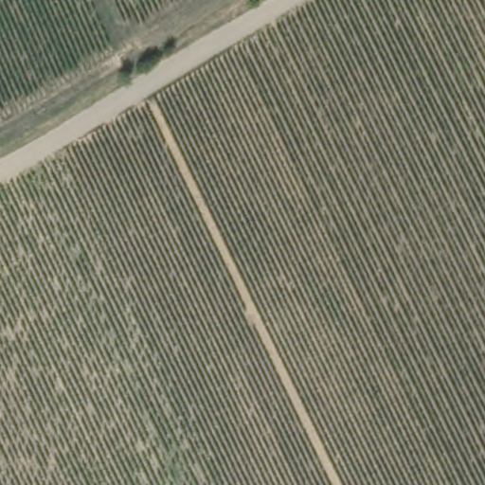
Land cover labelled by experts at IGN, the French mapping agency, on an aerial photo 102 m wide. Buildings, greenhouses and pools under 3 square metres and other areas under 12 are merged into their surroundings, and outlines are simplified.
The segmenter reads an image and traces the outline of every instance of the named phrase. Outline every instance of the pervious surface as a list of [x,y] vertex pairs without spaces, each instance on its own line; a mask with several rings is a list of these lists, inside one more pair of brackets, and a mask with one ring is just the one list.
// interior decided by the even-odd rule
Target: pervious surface
[[53,157],[59,148],[64,148],[66,144],[78,142],[83,133],[95,129],[97,125],[116,121],[119,112],[123,112],[125,108],[142,108],[144,97],[148,97],[155,89],[182,76],[189,68],[207,61],[214,53],[239,42],[246,34],[265,25],[275,25],[282,13],[296,13],[296,8],[309,0],[248,0],[248,6],[252,9],[246,11],[239,19],[233,19],[224,27],[212,30],[210,34],[199,38],[186,49],[174,51],[169,57],[163,57],[150,72],[133,76],[131,83],[117,89],[116,93],[95,102],[91,108],[83,110],[80,114],[66,119],[57,129],[28,142],[23,148],[0,157],[0,184],[6,184],[11,178],[17,178],[19,174],[30,171],[34,165],[44,161],[45,157]]

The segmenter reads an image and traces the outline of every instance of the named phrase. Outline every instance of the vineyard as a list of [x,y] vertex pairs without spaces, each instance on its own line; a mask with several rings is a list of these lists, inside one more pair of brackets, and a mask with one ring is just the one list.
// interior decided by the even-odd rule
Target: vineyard
[[0,485],[485,485],[485,0],[309,0],[296,8],[296,13],[282,13],[275,25],[265,25],[246,34],[239,42],[214,53],[207,61],[189,68],[182,76],[155,89],[148,97],[144,97],[142,108],[125,108],[123,112],[119,112],[116,121],[97,125],[95,129],[83,133],[78,142],[66,144],[64,148],[59,148],[53,157],[45,157],[44,161],[34,165],[30,171],[19,174],[17,178],[11,178],[6,184],[0,184]]
[[61,78],[66,72],[76,70],[81,59],[93,53],[100,53],[108,47],[119,49],[129,38],[135,36],[138,23],[142,23],[148,17],[152,9],[157,9],[163,2],[167,4],[172,0],[0,0],[0,110],[4,108],[6,100],[28,97],[34,91],[38,91],[45,81]]

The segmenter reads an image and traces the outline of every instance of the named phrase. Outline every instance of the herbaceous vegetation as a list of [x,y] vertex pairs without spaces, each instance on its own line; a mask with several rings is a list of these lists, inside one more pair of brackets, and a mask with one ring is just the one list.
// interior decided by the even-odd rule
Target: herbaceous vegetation
[[131,83],[133,76],[150,72],[163,57],[169,57],[174,51],[186,49],[199,38],[210,34],[212,30],[224,27],[233,19],[239,19],[246,11],[252,9],[248,6],[248,0],[172,0],[167,4],[163,2],[157,9],[152,9],[148,17],[142,23],[138,23],[135,36],[129,38],[119,49],[108,47],[100,53],[93,53],[81,59],[76,70],[66,72],[61,78],[45,81],[38,91],[34,91],[28,97],[6,100],[4,108],[0,110],[0,157],[23,148],[28,142],[57,129],[66,119],[80,114],[83,110],[91,108],[95,102],[116,93],[117,89]]

